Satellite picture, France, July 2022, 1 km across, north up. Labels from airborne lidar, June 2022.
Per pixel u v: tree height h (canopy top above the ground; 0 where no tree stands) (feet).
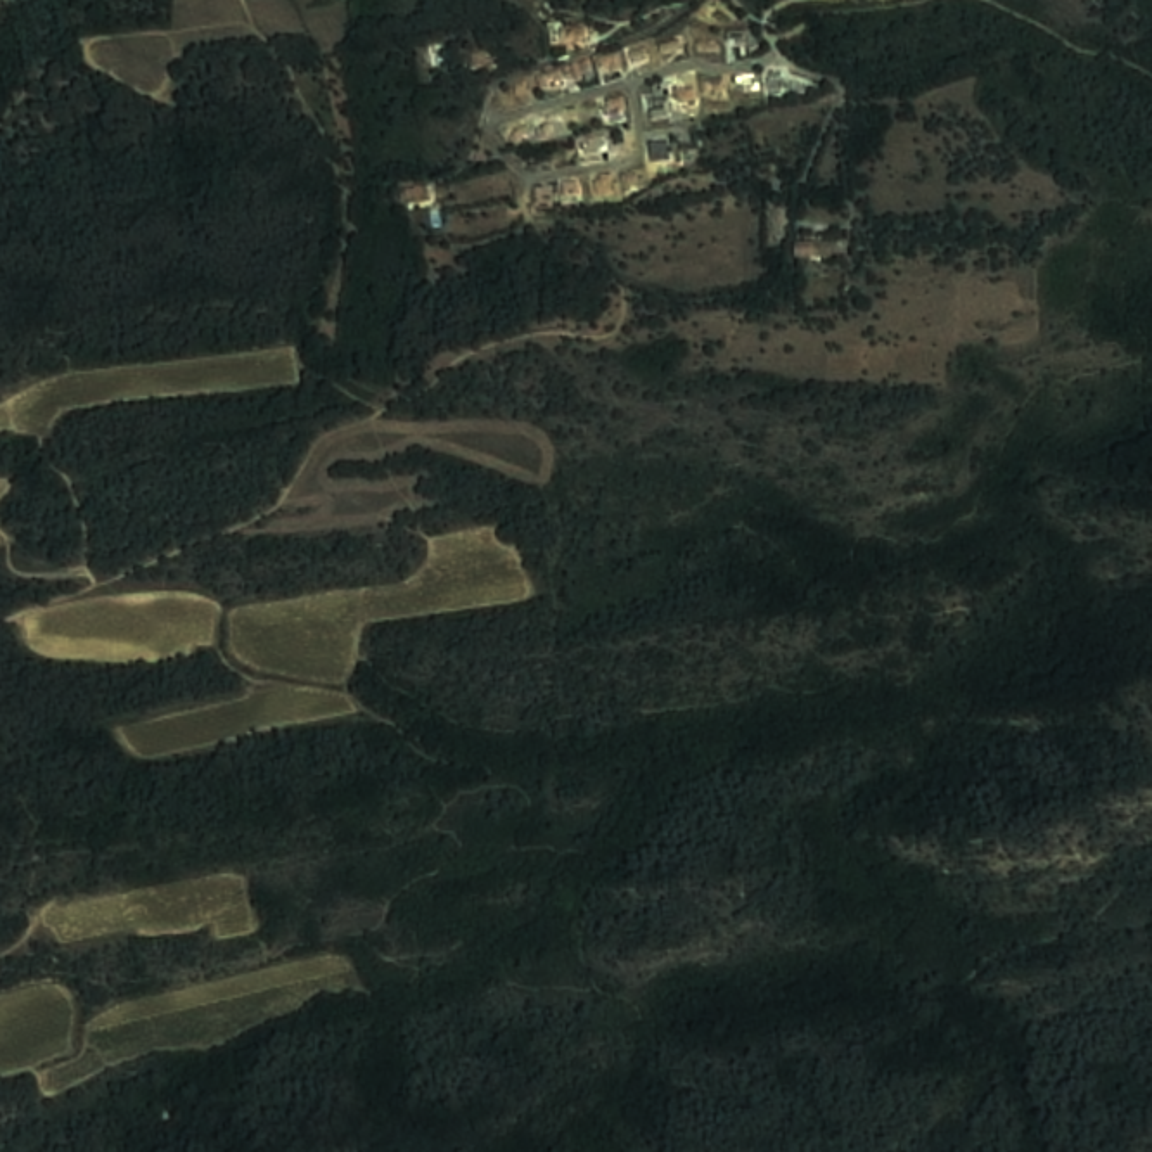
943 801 27
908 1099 42
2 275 42
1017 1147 40
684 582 27
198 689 47
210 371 0
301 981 0
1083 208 26
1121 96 34
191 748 0
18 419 0
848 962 26
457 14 40
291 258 48
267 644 0
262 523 25
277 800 25
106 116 50
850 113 32
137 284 40
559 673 35
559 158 0
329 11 0
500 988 45
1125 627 21
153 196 41
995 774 46
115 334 49
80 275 43
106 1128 22
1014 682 30
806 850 55
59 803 31
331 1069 34
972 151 25
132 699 38
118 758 42
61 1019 0
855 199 30
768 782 44
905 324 0
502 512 35
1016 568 23
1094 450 31
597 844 54
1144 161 31
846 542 25
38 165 41
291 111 37
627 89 0
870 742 27
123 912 0
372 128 0
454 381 32
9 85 36
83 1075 0
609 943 26
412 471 24
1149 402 22
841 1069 35
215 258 42
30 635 0
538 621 23
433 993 41
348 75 25
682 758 32
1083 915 24
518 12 38
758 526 24
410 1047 46
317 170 40
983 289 0
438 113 32
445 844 44
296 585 27
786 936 27
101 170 41
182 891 0
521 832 31
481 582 0
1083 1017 31
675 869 29
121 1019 0
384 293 42
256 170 35
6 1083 31
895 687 25
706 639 25
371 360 47
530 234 26
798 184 25
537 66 20
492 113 0
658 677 22
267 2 0
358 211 40
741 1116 50
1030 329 0
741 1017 31
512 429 0
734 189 39
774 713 42
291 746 24
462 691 25
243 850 31
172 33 0
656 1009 28
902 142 0
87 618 0
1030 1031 51
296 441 43
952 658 21
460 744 46
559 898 42
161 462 33
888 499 0
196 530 38
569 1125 27
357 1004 39
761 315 30
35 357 32
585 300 37
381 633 19
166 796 43
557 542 44
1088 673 27
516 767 25
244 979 0
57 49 29
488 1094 27
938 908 23
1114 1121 18
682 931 33
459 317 42
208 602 0
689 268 0
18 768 29
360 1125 32
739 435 39
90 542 32
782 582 48
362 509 0
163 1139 28
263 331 37
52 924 0
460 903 17
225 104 25
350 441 0
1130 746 18
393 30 36
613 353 30
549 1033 41
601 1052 25
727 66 0
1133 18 25
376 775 24
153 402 25
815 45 21
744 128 27
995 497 29
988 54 21
